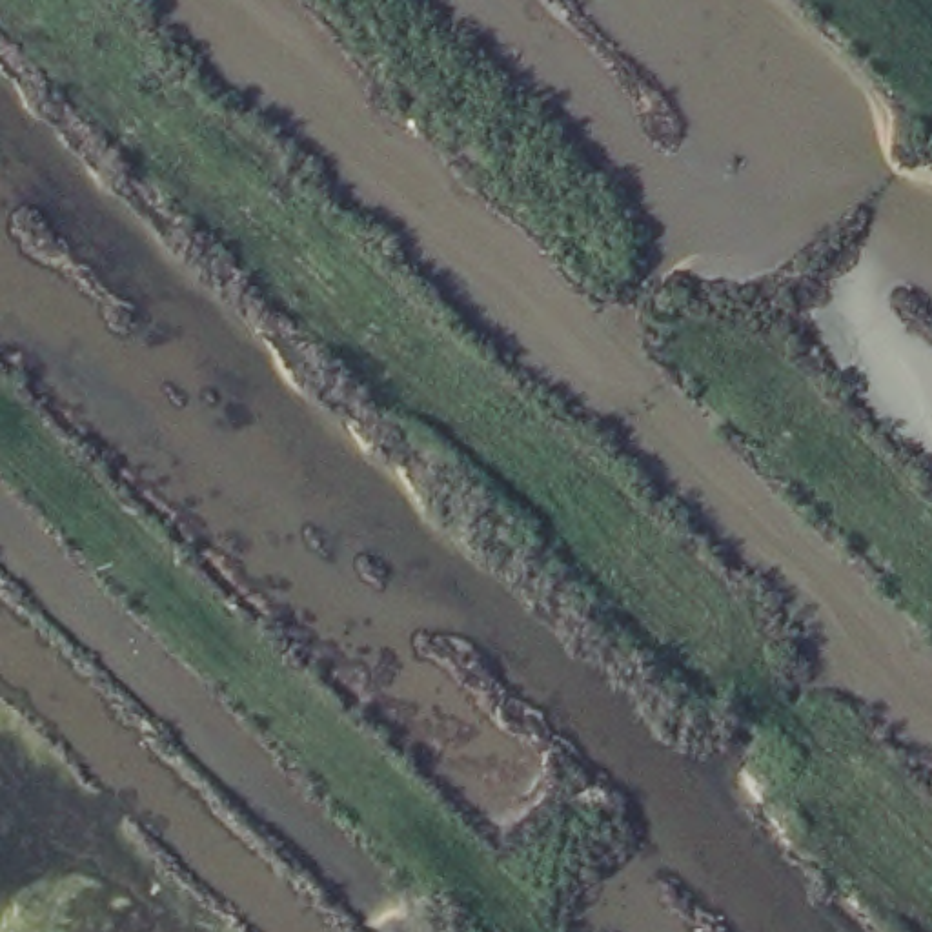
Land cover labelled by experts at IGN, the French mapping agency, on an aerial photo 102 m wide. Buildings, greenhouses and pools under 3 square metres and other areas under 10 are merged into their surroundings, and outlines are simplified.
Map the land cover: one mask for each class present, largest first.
<instances>
[{"label":"water","instance_id":"1","mask_svg":"<svg viewBox=\"0 0 932 932\"><path fill-rule=\"evenodd\" d=\"M149 7L153 29L178 58H189L197 66L204 87L226 106L248 113L291 153L309 157L320 175V189L339 211L353 215L360 226L382 229L393 240L397 262L415 280H422L451 309L455 324L477 346H484L495 357V364L513 379L521 386H535L557 397L579 426H590L615 459L637 470L648 502L670 499L684 528L703 535L721 564V568L743 572L765 593L772 601L779 608L783 626L790 630V655L783 674L786 695L794 699L830 695L845 703L848 692L859 699H877L885 703L888 721H903V739L932 746V655L917 648V633L899 615L877 608L866 597L863 583L834 557V550L805 532H797L794 521L775 506L754 466L739 462L732 451L710 441L703 411L688 408L674 386H666L648 364H641L633 346L637 309L626 302H583L546 266V258L524 229L502 222L484 200L459 189L455 178L441 167V160L430 153V146H422L393 120L379 117L364 98L360 73L317 29L309 15H302L295 0H142ZM415 7L437 15L441 40L455 58L470 66L488 62L499 73L506 98H535L542 117L561 131L568 157L604 175L608 189L615 193L619 215L633 233V269L652 284L674 280L677 273H695L703 280L750 284L772 277L786 258L801 251L805 240H812V233L826 229L841 211L859 208L863 200L877 208V218L859 255L866 262H877V288L892 299L896 288H925L932 295V186L903 178L885 160L874 124L877 95L834 55L830 40L812 36L797 22V15L783 0H411ZM568 4L579 15H586L590 25L615 47V55L626 58L633 73L670 106V113L677 117L674 146H659L641 135L633 102L623 95L615 76L601 69L597 51L579 44L583 33L568 18ZM51 127L22 109L18 69L0 55V371L22 379L33 408L47 415L66 437L80 441L91 451V459L106 466L109 484L146 517L164 524L171 542L182 550L189 557L197 572L248 619L262 623L266 633H273L299 666L317 670L324 659H335V681L328 684V692L335 695L339 688H353L357 703H382V710L393 721L408 724V732L437 754L441 775L462 786V794L499 830H510L521 819H528L535 801L542 797L539 761L528 746L502 735L481 710L477 695L466 692L441 663L415 652L419 633H430L462 652L466 659L481 663L491 684L499 688L502 703L521 706L535 721L539 735L553 739L590 786H601L608 797L619 801L626 823V852L623 859L597 866V881L568 888L572 907L564 914L561 932H866L848 903L808 899V877L801 863L783 848L772 826L750 819V794L743 783L746 754L728 743V750L714 757H688L663 746L648 732L641 710L608 684L604 670H597L583 655L564 652L557 623L564 615V604H524L510 579L473 564L459 550L455 535L430 528L415 513L411 499L371 466L375 459L360 455L350 444V419L335 415V408H320V400L313 397L299 400L284 390L266 353L251 342L255 331L226 302L222 291L200 280L186 262L167 255V222L157 208L149 189L138 200H131L120 189L102 193L87 175H80L51 142ZM18 211L40 218L55 251H66L76 266H84V273L95 284L120 299L124 331H113L106 324V313L91 299H84L62 277V269L22 248L15 233ZM812 324L819 328L834 360L841 368H856L859 342L848 331L841 306L830 299L823 306H812ZM0 575L11 579L25 601H33L80 652L91 655V663L153 724L167 732L171 746L215 783L226 805L251 830L277 841V856L288 866L309 874L320 885L324 899L350 914V925L342 932H408L415 925V899L404 870H379L371 856L339 826L328 823L317 805L302 797L291 775L277 768L258 743H251L237 728L222 703L211 699L208 688L197 677H189L157 641L138 623L124 619L98 593L91 575L76 561H69L51 542V535L0 488ZM33 703L40 710L47 703H58L51 721L109 783L106 794H95V783L84 779L76 761H69L62 746L47 743L44 732L25 717ZM124 819H131L157 848H164L182 877H189L200 892L215 896L237 914L233 932H328L324 921L295 896V888L277 881L273 870L240 837H233L208 812L193 786L175 775V768L157 761L142 746L138 732L127 728L109 710V703L80 674H73V666L47 641H40L0 601V932H226L200 907L186 903L171 885H164L157 870L120 837Z\"/></svg>","mask_w":932,"mask_h":932},{"label":"herbaceous vegetation","instance_id":"2","mask_svg":"<svg viewBox=\"0 0 932 932\"><path fill-rule=\"evenodd\" d=\"M0 25L11 40H22L25 66L44 69L51 80L73 87L84 120L117 131L131 149L146 157L149 189L157 208L164 200H178L182 218L189 226L197 218H208L215 229L229 233L222 248H211V262L229 255V262L244 269V280L258 273L269 284V291L299 313V335L291 339L299 353L306 346H317L324 357L342 360L346 379L364 390L368 404L379 411L382 422L397 430H404L408 422L426 426L441 437V444H448L459 455L470 484H481L491 502L506 499L528 524H535L539 546L528 550V557L539 564L561 561V575L568 583L593 590L608 626L633 637L655 684L677 677L684 688L710 695L717 714L728 706L735 717H750L757 724L754 735L732 724L728 743L746 754L743 783L750 794V819L772 826L783 848L801 863L808 877V899L848 903L866 932H932V783L914 775L899 750H892L870 721H863L845 703L830 695L794 699L786 695L783 674L761 659L768 637L761 633V615L772 601L765 593L757 601H724L721 568V564L710 575H699L695 553L681 546V539H663L655 550H644V524H630V499L612 477H601L590 462L561 448L557 441L550 444L546 433L539 437L517 426V419L506 411V397L521 386L513 379L499 393L459 375L448 360L433 353V339L419 331L415 320L397 313L386 291L371 284V277L360 266L335 258L339 244L353 237L360 226L353 215L339 211L320 189L306 186L288 204L269 200V189L262 186L255 164L218 149V138L211 135V117L197 113L189 91H160L157 98L142 95L138 62L131 51L142 33H135L124 44H113L109 33H95V18L84 11L80 0H0ZM302 15H309L317 29L360 73L364 98L379 117L393 120L422 146H430V153L441 160V167L455 178L459 189L484 200L502 222L524 229L546 258V266L583 302H612L619 284L633 269V233L619 215L615 193L608 189L604 175L568 157L561 131L542 117L535 98H506L499 73L488 62L470 66L455 58L441 40L437 15L415 7L411 0H295ZM797 15V22L812 36L830 40L834 55L877 95H888L896 109L899 164L932 167V0H783ZM674 364L681 368V375H699L706 382L703 411L710 441L732 451L739 462L754 466L775 506L794 521L797 532H805L808 513L805 506L790 502L786 491L801 481L819 499H826L834 517L848 524L856 535H863L874 557L899 579V615L917 633V648L932 655V488L907 451H892L888 441L859 411H852L848 390L823 368V360L816 353H805L783 328H775L772 335H757L750 320L717 328H692L688 320L677 324ZM0 488L51 535V542L69 561H76L91 575L102 572L120 579L124 586H135L146 604V619L138 623L157 641L167 626L193 630L211 612L197 597L182 601L175 593V564L189 557L182 550L171 557V564H164L138 535V524L146 517L109 484L106 466L91 459V451L80 441L66 437L47 415L33 408L22 379L0 371ZM346 801L339 812V826L371 856L379 870H404L415 899H433V892H462L477 899L491 932H546L553 925V910L546 903L528 907L513 892L510 877L502 874L506 856H491L448 805H441V797L426 783H419L408 761H400L386 746V739H379L364 757L353 761L335 757L331 746H313L302 757Z\"/></svg>","mask_w":932,"mask_h":932},{"label":"brushwood","instance_id":"3","mask_svg":"<svg viewBox=\"0 0 932 932\"><path fill-rule=\"evenodd\" d=\"M84 11L95 18V33H109L113 44H124L135 33H142L131 51L138 62L142 95L157 98L160 91H189L197 113L211 117V135L218 138V149L255 164L262 186L269 189V200L288 204L306 186L320 189V175L309 157L291 153L248 113L226 106L204 87L197 66L189 58H178L153 29L149 7L142 0H80ZM568 18L583 33L579 44L597 51L601 69L615 76L623 95L633 102L641 135L659 146H674L677 117L670 113V106L633 73L626 58L615 55V47L590 25L586 15H579L568 4ZM0 55L18 69L22 109L51 127V142L80 175H87L102 193L120 189L131 200H138L149 189L146 157L131 149L117 131L84 120L73 87L51 80L44 69L25 66L22 40H11L0 25ZM167 222V255L186 262L200 280L222 291L226 302L255 331L273 335V346L313 397L320 400V408H335V415L350 419V444L360 455L375 459L371 466L411 499L415 513L430 528L455 535L459 550L473 564L510 579L524 604H564V615L557 623L564 652L583 655L597 670H604L608 684L641 710L648 732L663 746L688 757H714L728 750V743L732 724L754 735L757 724L750 717H735L728 706L717 714L710 695L684 688L677 677L655 684L633 637L608 626L593 590L568 583L561 575V561L539 564L528 557V550L539 546L535 524H528L506 499L491 502L481 484H470L459 455L448 444H441V437L426 426L408 422L404 430H397L382 422L379 411L368 404L364 390L346 379L342 360L324 357L317 346H306L299 353L291 339L299 335V313L269 291V284L258 273L244 280V269L229 262V255L211 262V248H222L229 233L215 229L208 218H197L189 226L182 218L178 200H164L157 208ZM877 218V208L863 200L859 208L841 211L826 229L812 233V240H805L801 251L786 258L772 277L750 284L703 280L695 273H677L674 280L652 284L633 269L619 284L612 302H626L637 309L633 346L641 364H648L666 386H674L688 408L703 411L706 382L699 375H681V368L674 364L677 324L688 320L692 328H717L750 320L757 335H772L775 328H783L805 353H816L823 360V368L848 390L852 411H859L888 441L892 451H907L932 488V451L899 433V419L877 415V408L866 400L870 382L856 368H841L834 360L819 328L812 324V306H823L830 299L834 280L859 262V255ZM15 233L22 248L62 269V277L84 299H91L106 313V324L113 331H124L120 299L95 284L84 273V266H76L66 251H55L40 218L18 211ZM335 258L360 266L371 277V284L386 291L397 313L415 320L419 331L433 339V353L448 360L459 375L499 393L513 379L495 364V357L484 346H477L455 324L451 309L422 280H415L397 262L393 240L382 229L360 226L353 237L339 244ZM892 309L907 324V331L932 346V295L925 288H896L892 299ZM506 411L517 419V426L539 437L546 433L550 444L557 441L561 448L590 462L601 477H612L630 499V524H644V550H655L663 539H681V546L695 553L699 575H710L721 564L703 535L684 528L670 499L648 502L637 470L615 459L590 426H579L557 397L535 386H521L506 397ZM790 502L805 506L808 513L805 532L834 550V557L863 583L866 597L877 608L899 615V579L874 557L863 535H856L848 524L834 517L826 499H819L801 481L786 491ZM138 535L164 564H171V557L182 550L171 542L164 524L146 517L138 524ZM175 593L182 601L197 597L211 612L193 630L167 626L157 641L189 677H197L208 688L211 699L222 703L237 728L251 743H258L277 768L291 775L302 797L317 805L328 823L339 826V812L346 801L302 757L313 746H331L335 757L353 761L364 757L379 739H386V746L400 761H408L419 783H426L441 797V805H448L491 856H506L502 874L510 877L513 892L528 907L546 903L553 910V925L546 932H561L564 914L572 907L568 888L597 881V866L623 859L626 852V823L619 801L608 797L601 786H590L553 739L539 735L535 721L521 706L502 703L499 688L491 684L481 663L466 659L462 652L430 633H419L415 652L441 663L466 692L477 695L481 710L502 735L528 746L539 761L542 797L535 801L528 819H521L510 830H499L462 794V786L441 775L437 754L408 732V724L393 721L382 710V703H357L353 688H339L335 695L328 692V684L335 681V659H324L317 670L299 666L273 633H266L262 623L248 619L197 572L189 557L175 564ZM765 593L743 572L721 568L724 601H757ZM98 593L124 619L138 623L146 619V604L135 586H124L120 579L102 572L91 575ZM0 601L40 641H47L73 666V674H80L109 703V710L127 728L138 732L142 746L157 761L175 768V775L193 786L208 812L233 837H240L273 870L277 881L295 888V896L324 921L328 932H342L350 925V914L324 899L320 885L309 874L288 866L277 856V841L251 830L226 805L215 783L171 746L167 732L153 724L91 663V655L80 652L33 601H25L11 579L0 575ZM761 633L768 637L761 659L783 674L790 655V630L783 626L779 608L772 601L761 615ZM863 721H870L892 750H899L914 775L932 783V746L903 739V721H888L885 703L877 699H859L848 692L845 703ZM58 703H47L40 710L33 703L25 717L44 732L47 743L62 746L69 761H76L84 779L95 783V794H106L109 783L51 721ZM120 837L157 870L164 885H171L186 903L200 907L226 932H233L237 914L215 896L200 892L189 877H182L164 848H157L131 819H124ZM408 932H491L477 899L462 892H433V899H415V925Z\"/></svg>","mask_w":932,"mask_h":932},{"label":"bare soil","instance_id":"4","mask_svg":"<svg viewBox=\"0 0 932 932\"><path fill-rule=\"evenodd\" d=\"M874 124L885 160L903 178L932 186V167L899 164L896 109L888 95H877ZM877 262H866L859 255V262L834 280L830 299L841 306L848 331L859 342L856 368L870 382L866 400L877 408V415L899 419V433L932 451V346L907 331V324L892 309V299L877 288ZM251 342L266 353L284 390L299 400L313 397L273 346V335L255 331Z\"/></svg>","mask_w":932,"mask_h":932}]
</instances>
